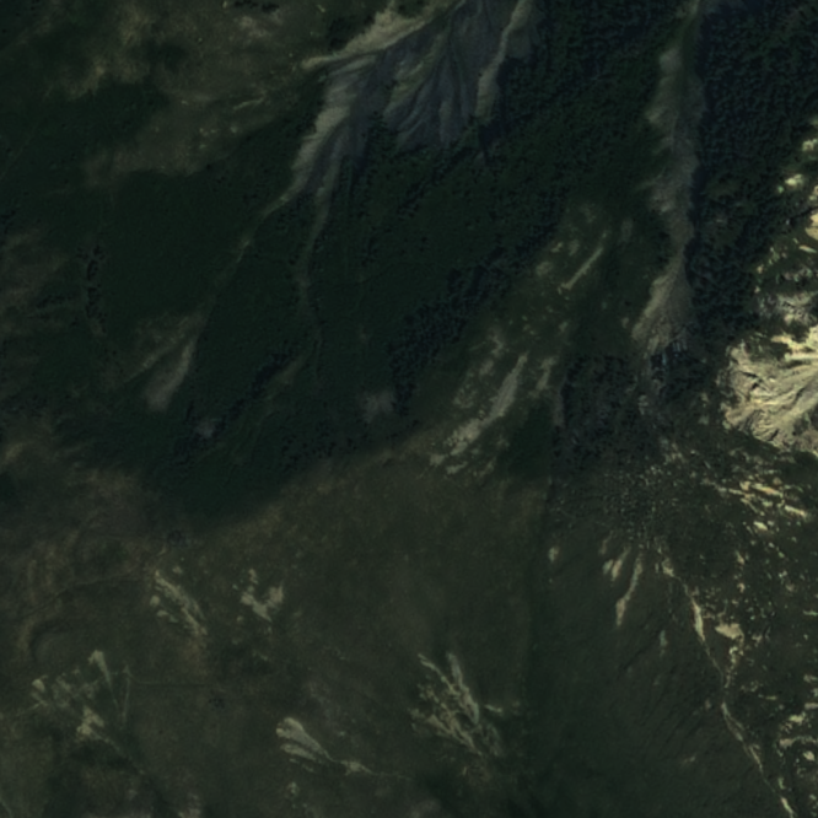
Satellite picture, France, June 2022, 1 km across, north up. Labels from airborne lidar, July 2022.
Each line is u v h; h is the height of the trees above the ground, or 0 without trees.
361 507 0
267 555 0
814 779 0
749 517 0
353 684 0
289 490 0
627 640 0
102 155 0
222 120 0
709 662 0
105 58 0
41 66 0
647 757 0
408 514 0
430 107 0
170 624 0
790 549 0
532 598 0
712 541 0
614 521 0
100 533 0
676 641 0
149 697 0
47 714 0
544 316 0
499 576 0
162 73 0
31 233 0
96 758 0
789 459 0
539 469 0
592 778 0
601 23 26
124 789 0
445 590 0
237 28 0
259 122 0
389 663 0
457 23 0
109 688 0
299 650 0
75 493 0
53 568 0
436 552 0
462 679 0
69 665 0
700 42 0
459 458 0
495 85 0
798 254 0
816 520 0
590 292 0
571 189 11
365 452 0
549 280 0
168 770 0
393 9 0
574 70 8
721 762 0
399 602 0
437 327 14
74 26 0
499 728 0
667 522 0
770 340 0
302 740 0
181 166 0
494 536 0
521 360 0
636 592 0
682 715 0
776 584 0
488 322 0
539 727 0
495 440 0
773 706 0
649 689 0
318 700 0
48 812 0
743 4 0
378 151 13
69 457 0
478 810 0
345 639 0
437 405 0
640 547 0
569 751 0
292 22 0
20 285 0
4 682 0
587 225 0
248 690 0
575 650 0
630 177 6
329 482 0
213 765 0
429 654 0
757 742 0
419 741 0
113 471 0
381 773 0
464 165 7
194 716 0
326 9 0
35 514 0
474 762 0
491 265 17
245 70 0
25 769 0
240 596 0
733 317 9
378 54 0
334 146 0
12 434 0
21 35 0
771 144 19
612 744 0
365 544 0
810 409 0
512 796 0
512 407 0
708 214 18
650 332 0
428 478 0
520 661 0
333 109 0
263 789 0
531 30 0
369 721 0
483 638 0
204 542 0
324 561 0
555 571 0
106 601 0
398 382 6
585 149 7
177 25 0
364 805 0
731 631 0
